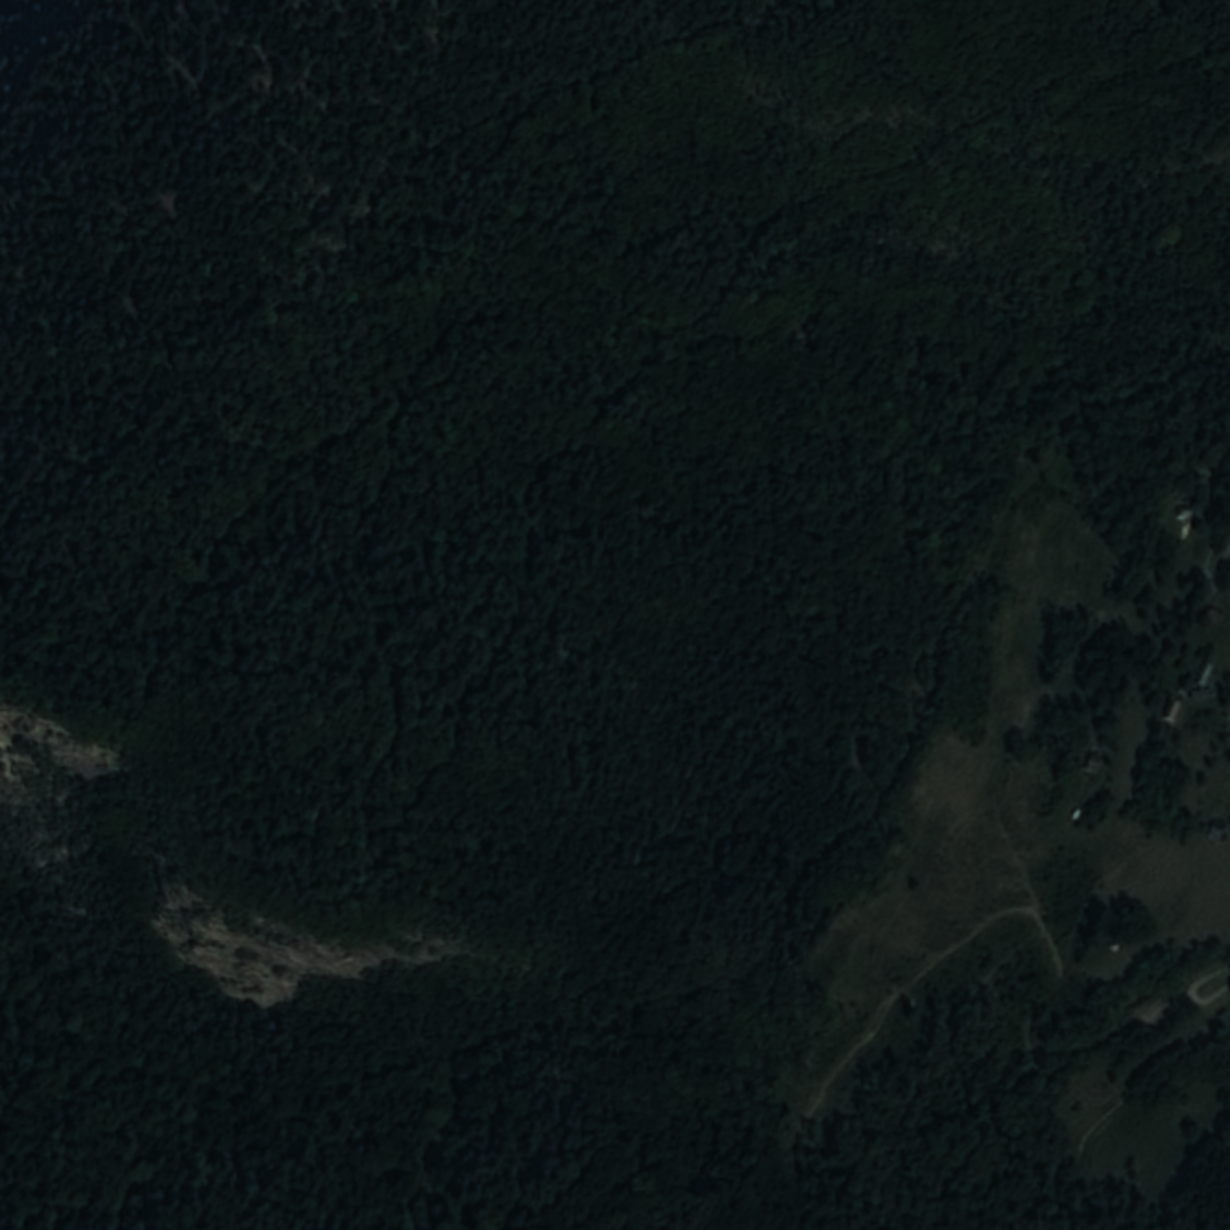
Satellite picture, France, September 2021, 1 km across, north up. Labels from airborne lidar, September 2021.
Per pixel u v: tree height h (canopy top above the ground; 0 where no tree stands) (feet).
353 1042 121
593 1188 101
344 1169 97
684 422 91
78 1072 55
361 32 36
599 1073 86
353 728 68
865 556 87
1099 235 61
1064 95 69
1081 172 38
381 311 68
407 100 57
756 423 96
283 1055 96
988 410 60
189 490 71
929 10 64
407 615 61
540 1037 57
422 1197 32
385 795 80
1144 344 72
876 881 81
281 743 78
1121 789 0
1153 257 60
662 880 100
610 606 73
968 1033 94
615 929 88
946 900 0
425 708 103
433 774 54
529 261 85
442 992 83
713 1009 90
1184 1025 69
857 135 50
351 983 55
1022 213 53
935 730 66
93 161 82
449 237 63
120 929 72
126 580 85
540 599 73
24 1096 71
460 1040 75
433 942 37
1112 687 64
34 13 97
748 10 80
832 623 66
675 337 34
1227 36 71
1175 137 49
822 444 100
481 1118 76
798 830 87
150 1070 132
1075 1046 73
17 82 53
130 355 88
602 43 46
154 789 65
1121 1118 0
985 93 60
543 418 82
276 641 77
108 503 87
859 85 68
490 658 24
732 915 99
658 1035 65
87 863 57
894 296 79
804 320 106
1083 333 69
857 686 77
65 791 37
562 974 78
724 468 102
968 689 71
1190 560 0
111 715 75
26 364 80
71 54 83
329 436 66
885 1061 18
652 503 101
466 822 100
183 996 55
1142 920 76
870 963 0
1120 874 0
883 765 62
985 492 91
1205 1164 74
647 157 52
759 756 116
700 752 115
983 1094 29
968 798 0
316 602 33
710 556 86
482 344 45
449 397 81
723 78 51
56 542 82
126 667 86
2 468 33
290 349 75
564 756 79
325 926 64
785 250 90
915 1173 93
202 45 36
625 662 88
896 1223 79
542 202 94
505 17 52
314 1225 92
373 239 82
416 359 41
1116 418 84
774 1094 103
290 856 53
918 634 48
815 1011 85
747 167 71
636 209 90
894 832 66
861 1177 91
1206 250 59
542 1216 57
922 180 41
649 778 85
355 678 64
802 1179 59
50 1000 58
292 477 86
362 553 27
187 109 52
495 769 56
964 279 52
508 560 97
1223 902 0
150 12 85
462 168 22
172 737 72
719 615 85
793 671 82
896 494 96
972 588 35
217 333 102
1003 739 0
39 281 75
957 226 26
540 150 78
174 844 49
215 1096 55
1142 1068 19
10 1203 109
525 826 89
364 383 64
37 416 41
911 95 73
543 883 68
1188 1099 41
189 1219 85
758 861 72
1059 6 56
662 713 89
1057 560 0
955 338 74
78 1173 87
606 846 117
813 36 75
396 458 56
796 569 74
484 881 79
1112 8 78
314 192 84
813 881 79
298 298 59
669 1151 68
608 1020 89
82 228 66
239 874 87
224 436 28
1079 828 36
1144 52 49
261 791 77
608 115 75
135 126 60
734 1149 52
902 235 62
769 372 75
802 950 91
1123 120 69
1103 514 49
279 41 75
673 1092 93
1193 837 49
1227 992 0
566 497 85
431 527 91
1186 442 81
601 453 85
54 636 76
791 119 38
